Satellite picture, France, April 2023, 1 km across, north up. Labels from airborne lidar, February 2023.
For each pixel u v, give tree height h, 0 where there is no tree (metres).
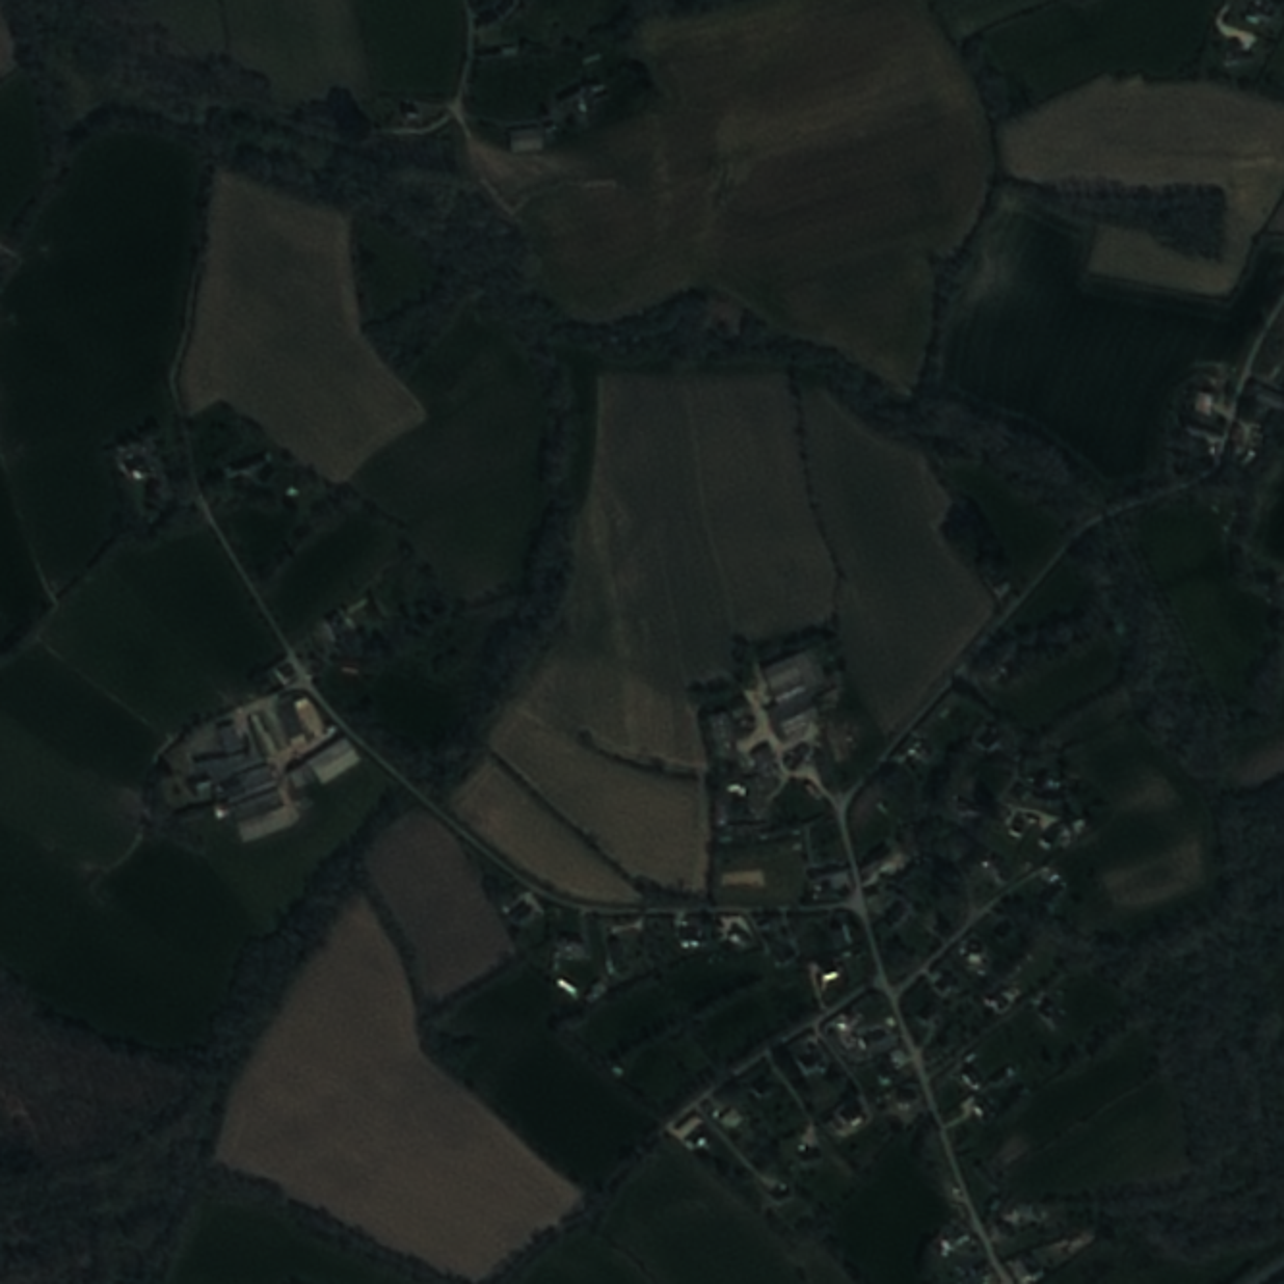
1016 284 0
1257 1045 18
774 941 9
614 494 0
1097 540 13
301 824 0
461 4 0
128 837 0
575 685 0
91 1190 18
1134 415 0
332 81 0
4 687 0
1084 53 0
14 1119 12
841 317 0
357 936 0
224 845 0
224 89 14
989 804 22
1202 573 0
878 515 0
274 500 11
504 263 21
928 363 6
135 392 0
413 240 11
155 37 9
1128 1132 0
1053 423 0
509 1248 0
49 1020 14
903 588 0
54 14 11
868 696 0
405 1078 0
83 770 0
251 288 0
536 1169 0
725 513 0
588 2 0
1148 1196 11
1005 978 11
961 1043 8
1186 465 6
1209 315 0
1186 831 0
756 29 0
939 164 0
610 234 0
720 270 0
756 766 0
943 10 0
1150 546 0
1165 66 0
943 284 10
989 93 11
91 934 0
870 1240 0
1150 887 0
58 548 0
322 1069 0
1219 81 12
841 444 0
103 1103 12
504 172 0
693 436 0
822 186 0
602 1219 11
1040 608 0
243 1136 0
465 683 0
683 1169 0
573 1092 0
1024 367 0
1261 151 0
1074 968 9
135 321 0
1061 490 18
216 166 6
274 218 0
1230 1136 14
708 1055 10
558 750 0
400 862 0
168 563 0
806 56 0
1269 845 13
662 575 0
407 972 8
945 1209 0
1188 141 0
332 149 7
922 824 8
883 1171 0
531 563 10
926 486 0
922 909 6
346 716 9
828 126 0
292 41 0
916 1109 0
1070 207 10
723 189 0
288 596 0
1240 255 0
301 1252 0
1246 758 0
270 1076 0
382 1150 0
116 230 0
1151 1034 10
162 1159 7
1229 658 0
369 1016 0
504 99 0
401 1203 0
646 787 0
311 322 0
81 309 0
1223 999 14
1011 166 0
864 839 0
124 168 0
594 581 0
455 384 0
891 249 0
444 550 0
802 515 0
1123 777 0
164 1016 0
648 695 0
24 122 0
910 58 0
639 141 0
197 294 5
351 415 0
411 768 21
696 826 0
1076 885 0
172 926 0
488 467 0
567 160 0
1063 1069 10
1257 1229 9
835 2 0
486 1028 0
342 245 0
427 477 0
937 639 0
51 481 0
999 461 17
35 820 0
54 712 0
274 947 11
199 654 0
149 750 0
